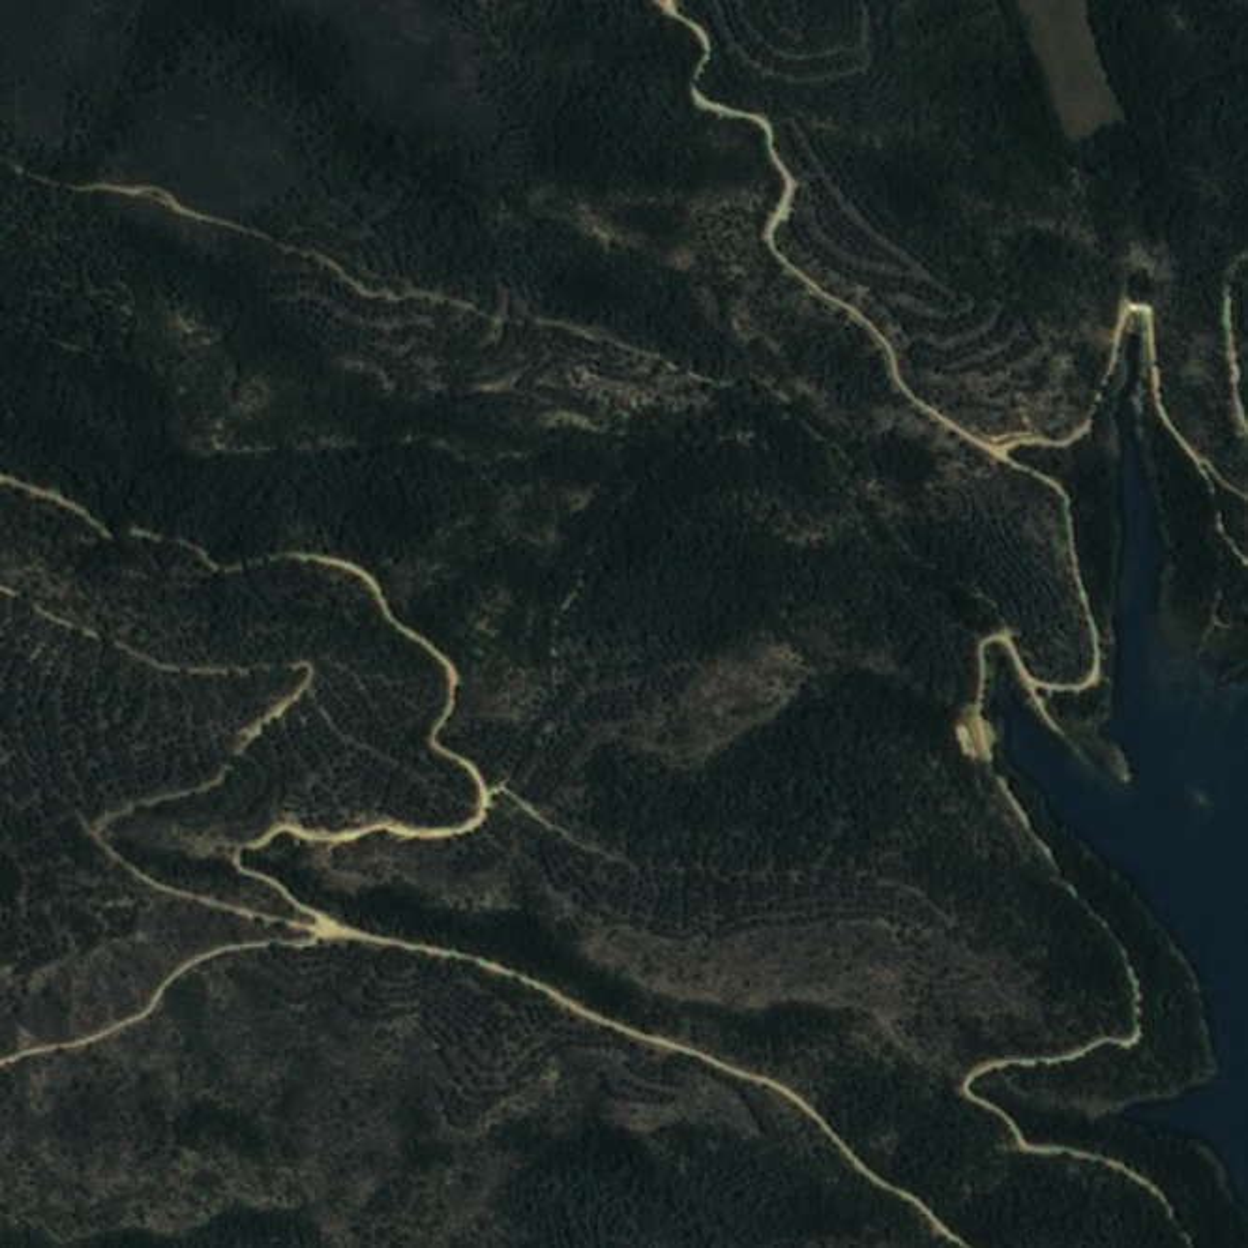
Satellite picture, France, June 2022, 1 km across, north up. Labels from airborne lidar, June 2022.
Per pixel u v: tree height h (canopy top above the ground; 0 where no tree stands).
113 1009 0
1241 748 0
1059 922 12
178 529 22
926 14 12
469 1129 6
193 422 6
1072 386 6
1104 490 9
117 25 7
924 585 9
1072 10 0
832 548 5
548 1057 7
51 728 10
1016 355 10
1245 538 7
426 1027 9
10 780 9
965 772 9
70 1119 7
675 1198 10
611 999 10
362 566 7
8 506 16
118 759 11
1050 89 12
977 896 7
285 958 11
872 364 8
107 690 8
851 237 8
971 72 9
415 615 7
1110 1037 8
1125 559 0
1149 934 11
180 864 7
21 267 11
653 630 15
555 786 11
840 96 9
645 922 10
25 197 12
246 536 11
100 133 9
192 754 11
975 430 0
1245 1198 0
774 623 6
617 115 14
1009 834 7
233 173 0
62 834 9
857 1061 6
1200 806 0
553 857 12
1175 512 12
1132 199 7
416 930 8
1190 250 11
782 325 5
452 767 10
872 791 10
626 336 16
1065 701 11
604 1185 11
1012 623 7
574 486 6
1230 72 8
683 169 8
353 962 11
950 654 14
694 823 9
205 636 11
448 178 9
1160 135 14
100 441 9
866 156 6
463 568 8
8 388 9
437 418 9
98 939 8
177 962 0
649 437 6
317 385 11
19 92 10
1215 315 7
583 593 9
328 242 10
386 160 10
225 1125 8
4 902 9
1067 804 0
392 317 12
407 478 12
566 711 10
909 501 7
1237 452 11
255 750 11
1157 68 10
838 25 9
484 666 8
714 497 6
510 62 11
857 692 9
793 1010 7
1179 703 0
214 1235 6
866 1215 6
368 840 8
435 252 14
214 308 8
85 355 14
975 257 8
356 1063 0
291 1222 8
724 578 14
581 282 12
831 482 6
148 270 15
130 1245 10
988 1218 13
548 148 9
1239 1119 0
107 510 15
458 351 9
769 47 7
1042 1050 8
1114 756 0
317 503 19
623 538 9
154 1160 6
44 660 7
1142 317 0
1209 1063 8
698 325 14
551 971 9
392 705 9
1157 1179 9
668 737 7
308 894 7
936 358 9
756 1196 9
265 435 8
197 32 7
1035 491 12
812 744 15
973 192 6
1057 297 7
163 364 7
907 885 8
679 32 6
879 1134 7
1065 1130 10
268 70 18
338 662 9
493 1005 10
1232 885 0
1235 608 12
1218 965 0
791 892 9
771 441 9
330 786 10
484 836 9
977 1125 16
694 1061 7
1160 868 0
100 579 15
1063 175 13
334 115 7
